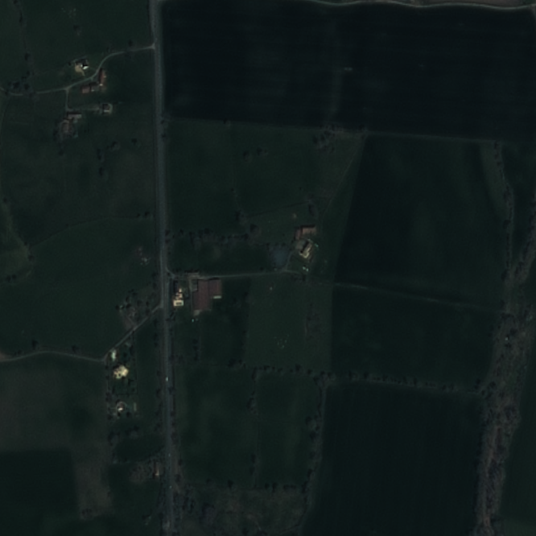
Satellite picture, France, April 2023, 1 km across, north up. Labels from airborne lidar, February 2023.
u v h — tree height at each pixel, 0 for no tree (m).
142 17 0
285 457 0
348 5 0
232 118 0
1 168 0
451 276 0
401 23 0
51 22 0
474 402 0
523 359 0
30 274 0
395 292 0
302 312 0
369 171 0
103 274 0
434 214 0
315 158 0
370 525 0
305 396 0
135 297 10
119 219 0
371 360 0
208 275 0
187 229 0
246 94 0
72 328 0
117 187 0
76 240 0
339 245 0
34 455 0
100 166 0
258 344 0
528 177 0
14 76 0
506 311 21
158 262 0
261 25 0
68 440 0
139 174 0
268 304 0
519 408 0
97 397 0
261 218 0
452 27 0
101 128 0
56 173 0
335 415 0
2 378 0
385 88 0
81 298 0
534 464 0
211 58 0
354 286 0
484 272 0
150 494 0
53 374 0
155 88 0
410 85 0
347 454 0
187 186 0
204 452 0
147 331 0
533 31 0
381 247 0
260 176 0
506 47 0
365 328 0
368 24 0
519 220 0
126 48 0
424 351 0
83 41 0
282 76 0
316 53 0
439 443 0
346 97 0
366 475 0
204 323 0
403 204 0
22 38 0
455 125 0
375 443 0
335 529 0
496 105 0
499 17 0
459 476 0
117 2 0
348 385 0
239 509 0
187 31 0
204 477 0
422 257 0
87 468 0
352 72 0
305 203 0
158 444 0
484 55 0
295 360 0
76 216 0
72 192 0
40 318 0
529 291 0
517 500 0
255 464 14
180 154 0
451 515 0
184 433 0
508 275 11
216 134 0
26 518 0
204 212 0
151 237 0
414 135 0
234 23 0
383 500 0
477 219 0
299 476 0
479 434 0
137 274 0
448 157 0
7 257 0
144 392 0
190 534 0
